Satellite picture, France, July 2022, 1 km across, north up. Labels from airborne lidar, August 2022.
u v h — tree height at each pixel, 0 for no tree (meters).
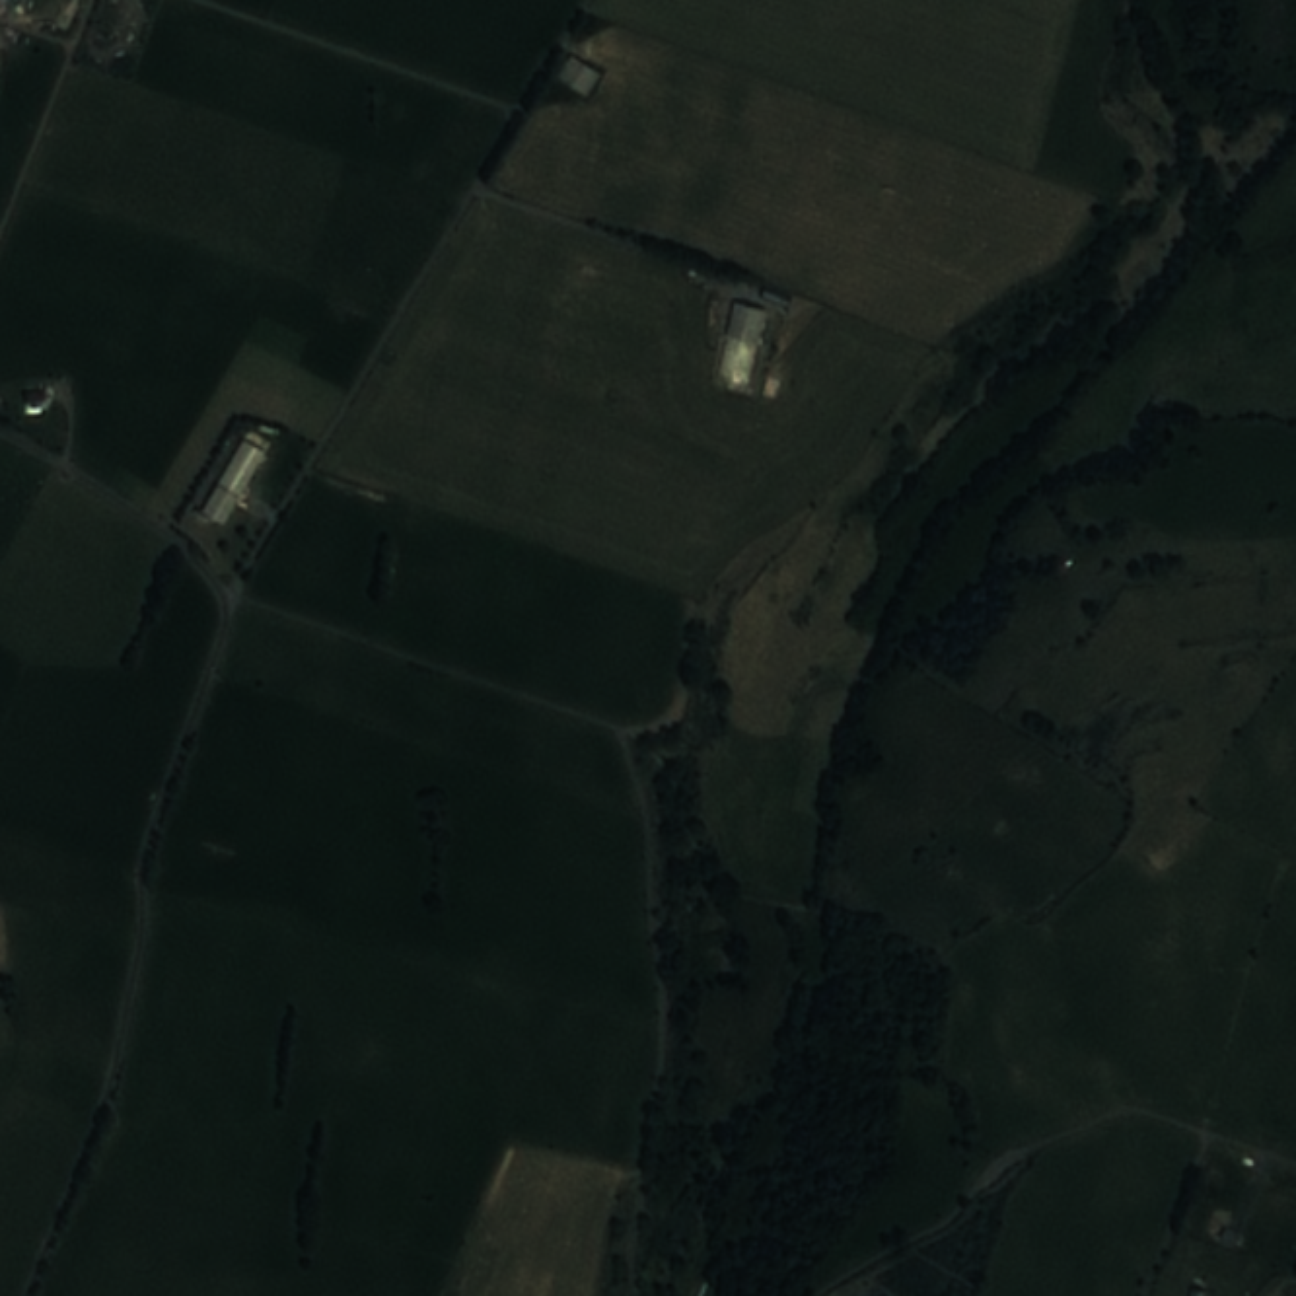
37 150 0
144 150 0
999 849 0
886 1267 0
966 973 0
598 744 0
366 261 0
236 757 0
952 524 15
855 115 0
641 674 0
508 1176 0
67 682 0
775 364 0
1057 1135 0
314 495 0
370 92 7
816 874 7
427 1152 0
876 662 16
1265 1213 0
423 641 0
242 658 0
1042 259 0
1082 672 0
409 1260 0
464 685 0
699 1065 10
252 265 0
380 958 0
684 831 15
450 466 0
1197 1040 0
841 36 0
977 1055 0
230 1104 0
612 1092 0
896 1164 11
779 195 0
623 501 0
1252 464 0
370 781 0
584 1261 0
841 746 14
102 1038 0
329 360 0
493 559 0
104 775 0
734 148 0
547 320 0
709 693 7
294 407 0
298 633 0
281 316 0
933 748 0
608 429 0
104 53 0
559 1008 0
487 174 15
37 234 0
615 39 0
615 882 0
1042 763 0
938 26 0
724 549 0
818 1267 7
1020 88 0
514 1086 0
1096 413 0
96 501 0
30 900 0
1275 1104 0
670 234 0
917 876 0
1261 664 0
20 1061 0
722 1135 25
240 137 0
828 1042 24
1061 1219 0
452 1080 0
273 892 0
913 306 0
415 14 0
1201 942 0
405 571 0
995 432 0
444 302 0
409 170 0
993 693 0
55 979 0
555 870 0
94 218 0
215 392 0
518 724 0
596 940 0
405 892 0
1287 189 0
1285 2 0
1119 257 16
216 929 0
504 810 0
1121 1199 0
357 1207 0
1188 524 0
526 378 0
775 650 0
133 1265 0
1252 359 0
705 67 0
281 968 0
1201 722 0
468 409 0
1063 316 8
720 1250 12
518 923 0
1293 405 0
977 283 0
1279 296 0
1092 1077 0
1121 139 0
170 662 0
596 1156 0
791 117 0
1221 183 17
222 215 0
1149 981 0
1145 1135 0
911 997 15
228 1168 0
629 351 0
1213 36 12
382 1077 0
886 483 7
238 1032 0
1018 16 0
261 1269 0
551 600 0
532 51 0
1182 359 0
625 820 0
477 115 0
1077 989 0
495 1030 0
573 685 0
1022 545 0
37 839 0
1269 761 0
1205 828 0
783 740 0
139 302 0
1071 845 0
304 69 0
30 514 0
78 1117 0
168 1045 0
